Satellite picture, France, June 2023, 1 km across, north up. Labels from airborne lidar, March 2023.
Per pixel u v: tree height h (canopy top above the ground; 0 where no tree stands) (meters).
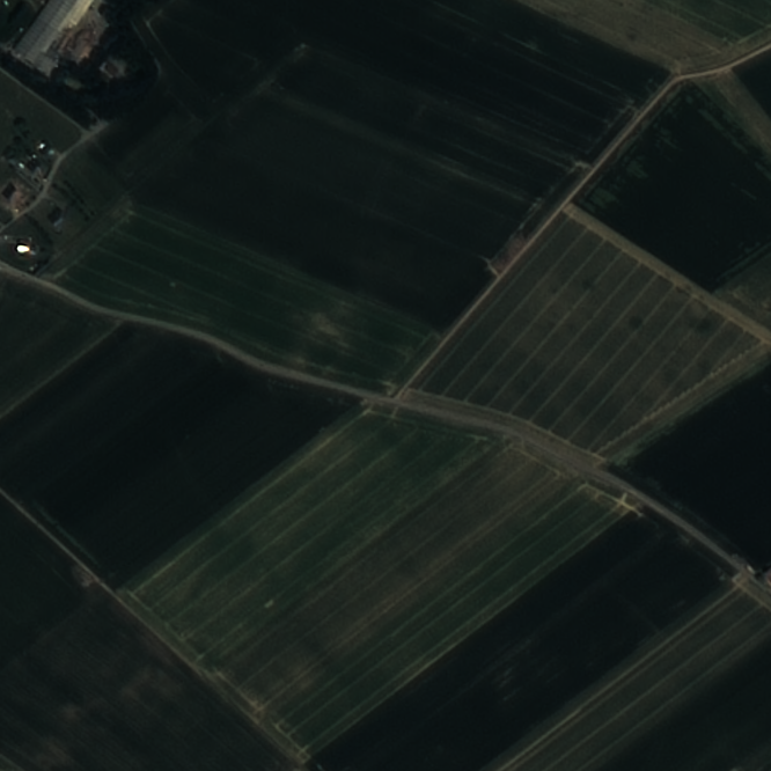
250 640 0
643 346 0
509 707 0
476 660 0
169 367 0
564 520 0
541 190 0
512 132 0
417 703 0
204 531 0
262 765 0
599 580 0
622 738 0
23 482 0
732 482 0
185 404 0
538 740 0
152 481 0
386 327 0
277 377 0
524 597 0
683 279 0
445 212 0
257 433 0
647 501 0
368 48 0
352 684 0
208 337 0
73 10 0
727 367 0
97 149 0
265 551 0
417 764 0
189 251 0
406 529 0
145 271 0
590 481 0
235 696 0
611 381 0
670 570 0
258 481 0
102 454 0
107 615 0
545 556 0
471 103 0
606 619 0
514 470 0
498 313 0
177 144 0
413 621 0
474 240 0
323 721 0
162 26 0
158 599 0
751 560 0
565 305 0
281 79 0
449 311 0
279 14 0
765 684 0
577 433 0
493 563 0
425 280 0
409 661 0
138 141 0
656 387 0
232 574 0
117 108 18
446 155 0
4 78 0
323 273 0
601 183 0
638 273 0
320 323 0
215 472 0
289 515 0
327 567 0
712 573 0
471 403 0
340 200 0
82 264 0
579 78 0
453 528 0
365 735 0
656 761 0
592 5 0
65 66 9
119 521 0
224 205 0
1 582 0
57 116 0
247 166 0
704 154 0
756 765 0
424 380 0
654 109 0
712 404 0
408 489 0
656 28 0
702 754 0
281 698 0
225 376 0
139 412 0
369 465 0
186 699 0
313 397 0
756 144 0
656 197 0
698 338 0
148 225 0
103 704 0
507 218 0
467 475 0
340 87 0
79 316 0
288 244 0
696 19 0
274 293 0
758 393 0
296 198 0
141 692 0
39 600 0
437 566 0
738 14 0
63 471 0
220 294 0
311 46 0
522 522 0
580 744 0
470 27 0
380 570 0
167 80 0
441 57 0
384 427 0
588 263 0
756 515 0
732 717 0
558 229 0
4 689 0
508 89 0
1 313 0
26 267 0
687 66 0
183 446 0
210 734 0
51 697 0
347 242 0
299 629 0
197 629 0
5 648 0
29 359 0
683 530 0
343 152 0
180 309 0
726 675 0
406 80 0
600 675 0
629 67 0
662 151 0
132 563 0
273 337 0
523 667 0
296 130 0
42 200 0
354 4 0
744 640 0
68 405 0
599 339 0
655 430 0
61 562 0
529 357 0
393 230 0
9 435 0
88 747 0
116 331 0
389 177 0
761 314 0
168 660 0
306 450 0
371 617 0
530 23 0
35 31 0
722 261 0
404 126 0
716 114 0
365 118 0
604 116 0
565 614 0
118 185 0
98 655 0
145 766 0
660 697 0
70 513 0
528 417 0
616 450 0
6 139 0
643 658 0
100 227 0
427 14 0
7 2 0
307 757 0
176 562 0
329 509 0
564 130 0
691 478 0
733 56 0
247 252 0
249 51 0
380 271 0
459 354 0
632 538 0
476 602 0
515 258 0
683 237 0
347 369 0
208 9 0
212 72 0
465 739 0
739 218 0
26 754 0
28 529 0
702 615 0
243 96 0
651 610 0
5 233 0
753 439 0
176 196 0
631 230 0
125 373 0
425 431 0
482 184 0
